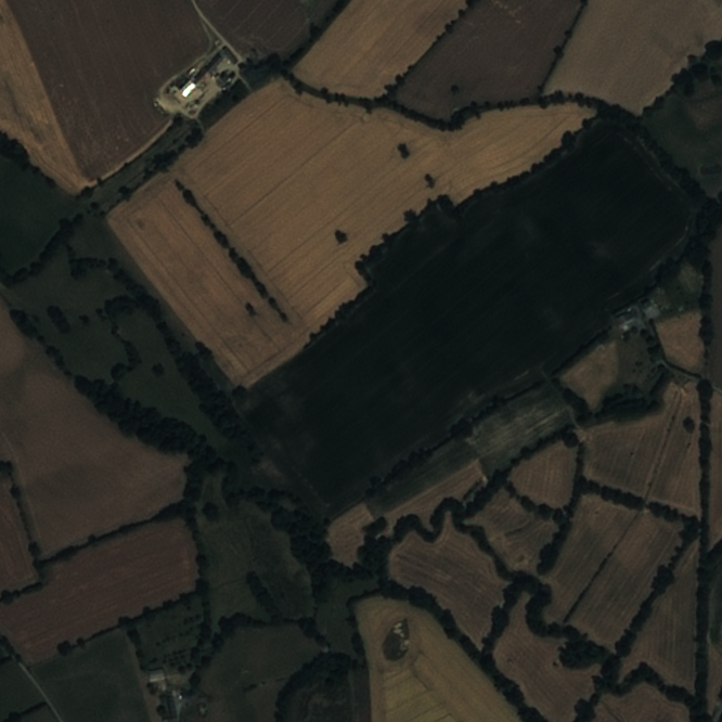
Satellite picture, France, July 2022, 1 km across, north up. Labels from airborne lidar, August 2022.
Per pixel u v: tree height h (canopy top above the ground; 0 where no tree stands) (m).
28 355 0
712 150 0
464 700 0
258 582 17
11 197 0
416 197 0
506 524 0
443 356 0
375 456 0
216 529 0
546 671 0
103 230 0
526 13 0
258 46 0
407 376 0
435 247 0
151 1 0
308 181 0
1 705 0
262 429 0
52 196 0
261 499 17
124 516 0
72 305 0
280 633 0
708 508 11
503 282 0
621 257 0
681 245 0
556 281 0
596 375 0
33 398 0
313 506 0
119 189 0
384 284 0
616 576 0
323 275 0
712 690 0
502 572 8
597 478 0
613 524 0
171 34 0
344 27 0
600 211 0
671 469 0
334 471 0
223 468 18
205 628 14
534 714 17
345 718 0
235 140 0
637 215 0
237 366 0
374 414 0
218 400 19
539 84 0
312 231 0
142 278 0
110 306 17
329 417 0
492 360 0
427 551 0
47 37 0
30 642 0
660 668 0
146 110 0
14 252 0
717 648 0
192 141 15
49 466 0
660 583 15
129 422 26
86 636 0
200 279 0
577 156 0
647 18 0
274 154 0
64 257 0
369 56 0
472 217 0
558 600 0
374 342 0
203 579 6
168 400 0
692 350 0
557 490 0
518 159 0
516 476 0
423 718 0
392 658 0
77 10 0
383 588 20
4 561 0
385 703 0
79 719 0
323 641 15
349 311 16
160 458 0
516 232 0
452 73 0
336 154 0
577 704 0
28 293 0
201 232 0
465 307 0
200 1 0
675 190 0
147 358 0
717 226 15
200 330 0
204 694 0
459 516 15
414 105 0
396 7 0
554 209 0
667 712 0
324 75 0
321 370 0
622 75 0
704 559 7
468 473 0
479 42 0
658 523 0
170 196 0
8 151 12
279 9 0
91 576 0
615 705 0
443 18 0
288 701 19
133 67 0
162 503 0
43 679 0
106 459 0
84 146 0
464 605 0
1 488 0
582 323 0
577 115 0
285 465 0
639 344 0
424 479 0
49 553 0
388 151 0
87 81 0
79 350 0
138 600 0
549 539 0
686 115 0
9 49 0
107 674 0
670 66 0
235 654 0
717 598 0
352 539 0
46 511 0
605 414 11
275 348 0
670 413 0
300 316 0
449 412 0
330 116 0
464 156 0
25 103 0
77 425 0
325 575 27
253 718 0
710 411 10
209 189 0
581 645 20
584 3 11
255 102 0
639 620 11
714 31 0
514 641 0
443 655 0
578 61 0
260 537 0
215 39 0
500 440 0
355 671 14
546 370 0
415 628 0
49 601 0
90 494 0
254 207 0
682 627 0
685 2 0
